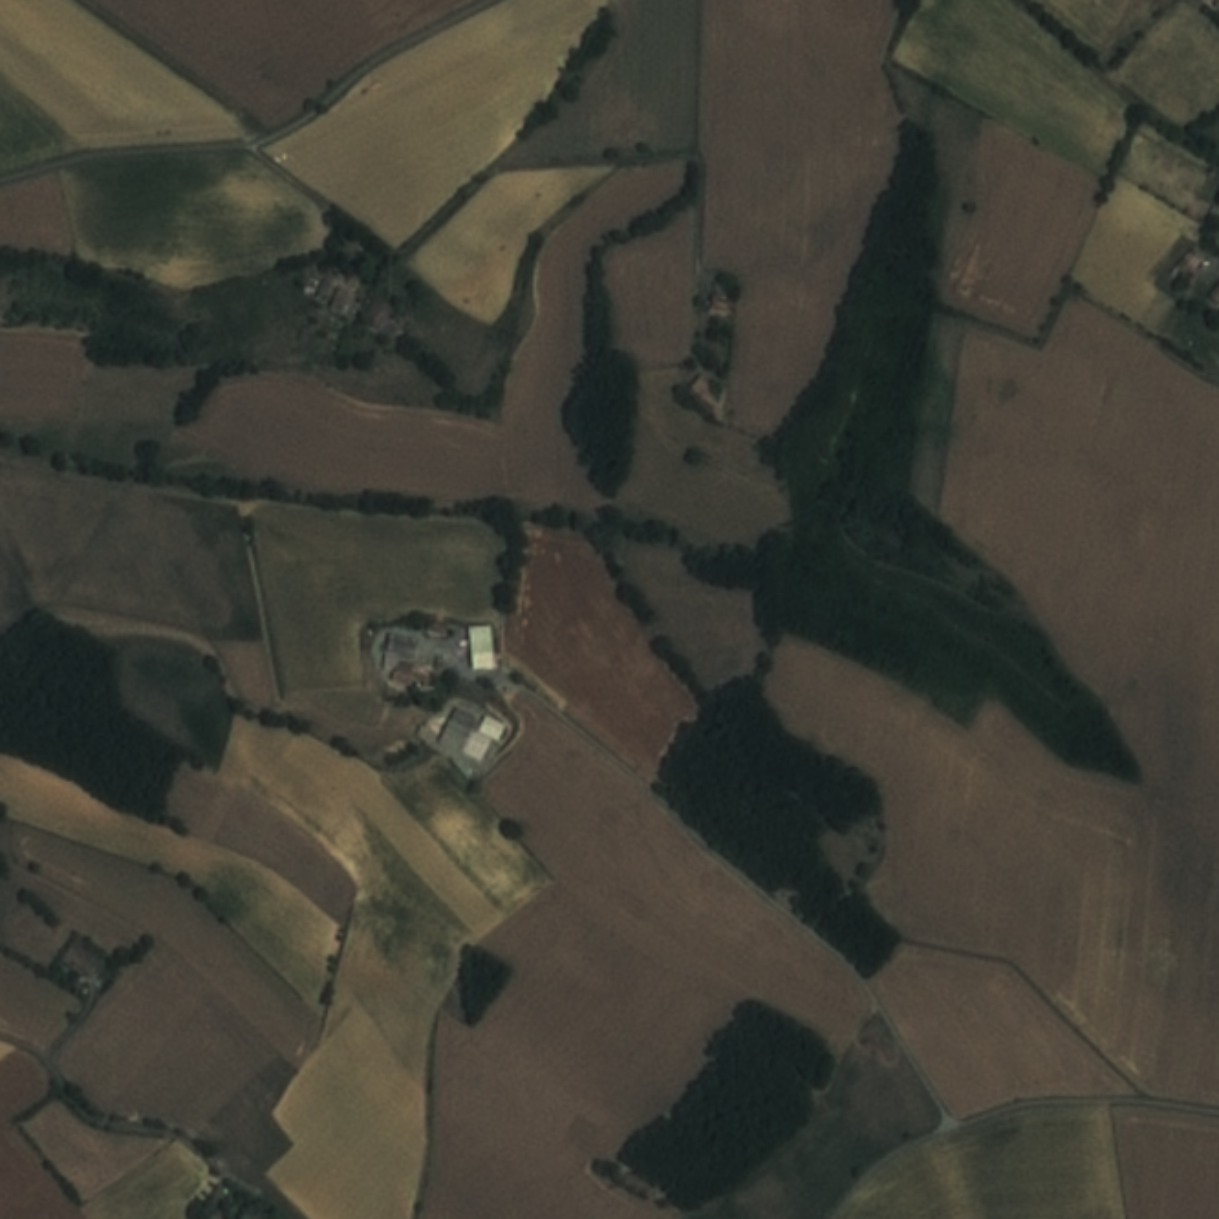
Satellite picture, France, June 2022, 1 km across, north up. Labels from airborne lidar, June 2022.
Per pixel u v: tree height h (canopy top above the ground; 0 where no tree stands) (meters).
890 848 0
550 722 0
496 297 0
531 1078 0
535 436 0
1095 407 0
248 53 0
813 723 0
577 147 0
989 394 0
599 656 0
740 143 0
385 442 0
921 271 16
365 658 0
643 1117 0
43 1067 0
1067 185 0
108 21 0
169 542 0
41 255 10
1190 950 0
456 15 0
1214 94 0
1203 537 0
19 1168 0
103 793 12
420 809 0
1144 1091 0
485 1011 11
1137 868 0
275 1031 0
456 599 0
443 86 0
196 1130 0
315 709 0
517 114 0
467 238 0
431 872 0
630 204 0
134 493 0
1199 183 0
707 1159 14
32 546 0
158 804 14
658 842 0
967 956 0
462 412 9
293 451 0
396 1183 0
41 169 0
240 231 0
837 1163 0
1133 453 0
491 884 0
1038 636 7
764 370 0
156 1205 0
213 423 0
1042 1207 0
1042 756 0
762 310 0
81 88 0
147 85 0
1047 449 0
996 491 0
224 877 0
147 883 0
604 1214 0
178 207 0
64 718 13
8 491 0
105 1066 0
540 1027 0
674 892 0
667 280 0
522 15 0
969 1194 0
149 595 0
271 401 0
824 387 13
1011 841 0
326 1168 0
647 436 0
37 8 0
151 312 7
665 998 0
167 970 0
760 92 0
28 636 16
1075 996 0
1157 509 0
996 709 0
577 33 0
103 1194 0
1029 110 0
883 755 0
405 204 0
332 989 9
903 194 19
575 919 0
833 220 0
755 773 16
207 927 0
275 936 0
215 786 0
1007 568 0
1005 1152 0
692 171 12
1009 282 0
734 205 0
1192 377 0
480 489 0
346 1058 0
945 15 0
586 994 0
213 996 0
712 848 9
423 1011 0
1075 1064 0
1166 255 0
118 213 0
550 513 13
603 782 0
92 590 0
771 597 18
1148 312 0
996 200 0
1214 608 0
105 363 17
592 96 0
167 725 0
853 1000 0
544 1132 0
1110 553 0
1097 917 0
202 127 0
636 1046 0
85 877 0
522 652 0
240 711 14
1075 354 0
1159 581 0
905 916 0
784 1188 0
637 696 0
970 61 0
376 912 0
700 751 20
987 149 0
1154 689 0
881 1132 0
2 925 0
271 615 0
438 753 0
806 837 23
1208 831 0
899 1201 0
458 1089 0
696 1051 0
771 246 0
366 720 0
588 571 0
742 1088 18
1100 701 0
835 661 0
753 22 0
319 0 0
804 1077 15
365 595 0
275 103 0
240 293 0
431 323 0
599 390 18
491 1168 0
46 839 0
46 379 0
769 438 8
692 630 0
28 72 0
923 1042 0
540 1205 0
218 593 0
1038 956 0
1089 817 0
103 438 0
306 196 0
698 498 0
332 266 11
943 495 0
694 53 0
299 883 0
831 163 0
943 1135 0
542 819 0
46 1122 0
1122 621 0
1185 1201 0
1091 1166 0
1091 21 0
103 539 0
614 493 13
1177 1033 0
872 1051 0
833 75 0
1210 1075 0
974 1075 0
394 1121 0
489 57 0
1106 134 0
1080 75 0
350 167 0
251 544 8
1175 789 0
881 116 0
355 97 0
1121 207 0
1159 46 0
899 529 10
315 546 0
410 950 0
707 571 17
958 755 0
